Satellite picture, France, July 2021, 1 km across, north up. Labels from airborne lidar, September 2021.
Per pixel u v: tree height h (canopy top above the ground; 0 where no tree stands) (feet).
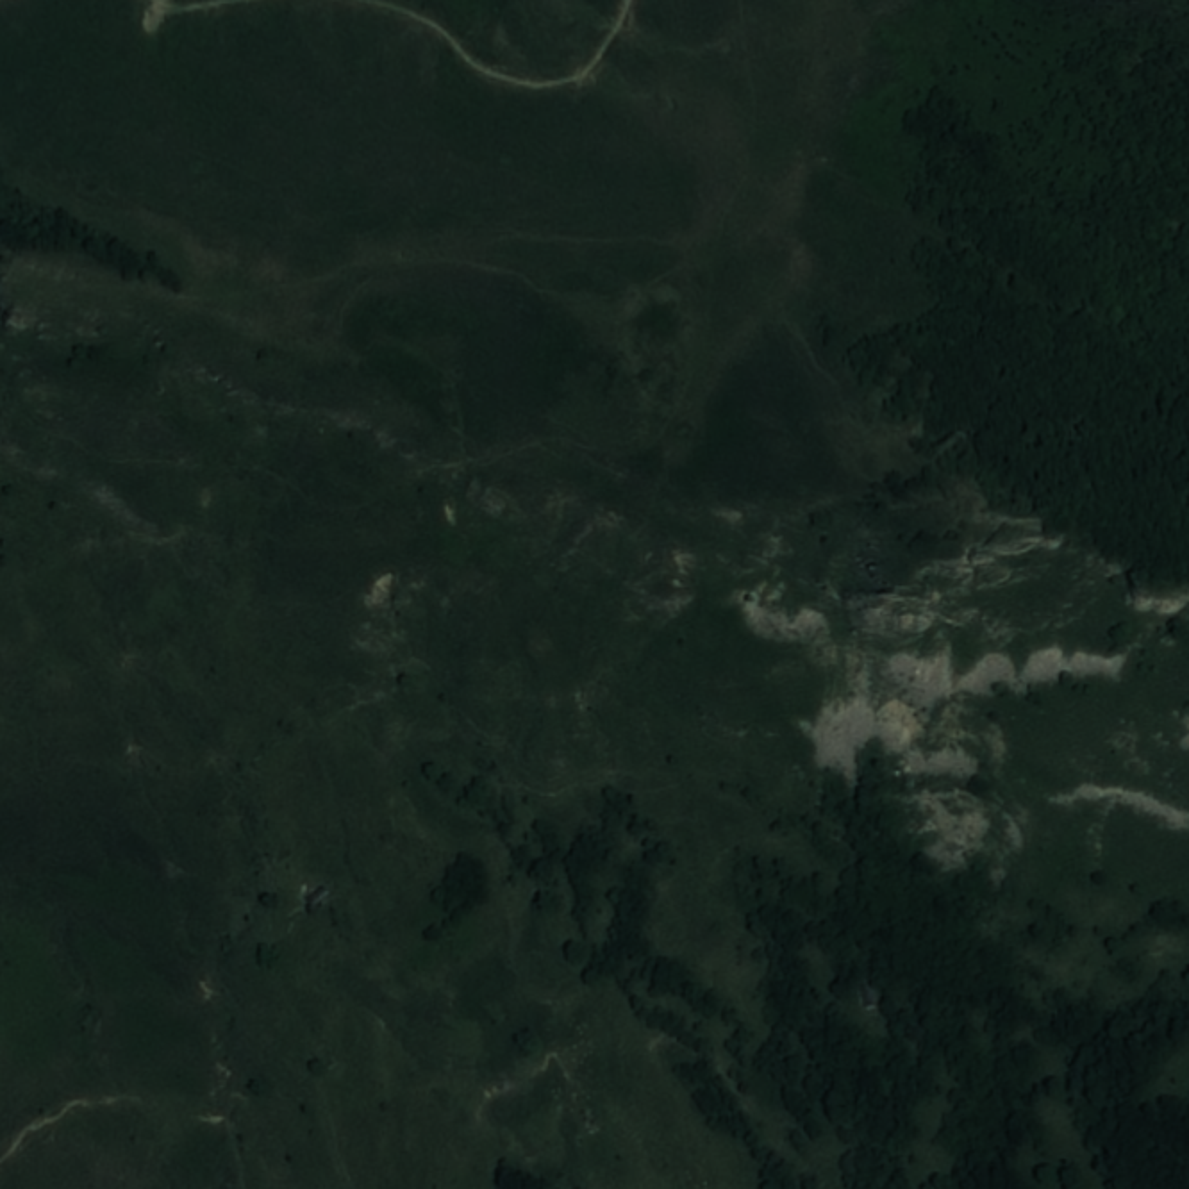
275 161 0
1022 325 70
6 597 0
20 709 0
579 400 0
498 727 0
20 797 0
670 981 65
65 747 0
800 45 0
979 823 0
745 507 0
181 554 0
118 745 0
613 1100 0
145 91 0
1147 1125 50
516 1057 0
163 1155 0
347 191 0
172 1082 0
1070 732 0
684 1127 0
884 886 24
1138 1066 57
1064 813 0
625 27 0
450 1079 0
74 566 0
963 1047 31
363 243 0
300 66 0
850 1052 62
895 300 0
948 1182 58
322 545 0
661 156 0
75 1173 0
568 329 0
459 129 0
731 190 0
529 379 0
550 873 66
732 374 0
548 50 0
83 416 0
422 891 0
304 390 0
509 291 0
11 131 0
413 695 0
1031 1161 0
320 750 0
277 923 0
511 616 0
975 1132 52
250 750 0
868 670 0
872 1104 63
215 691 0
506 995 0
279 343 0
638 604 0
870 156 0
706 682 0
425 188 0
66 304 0
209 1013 0
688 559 0
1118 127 25
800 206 0
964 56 0
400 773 0
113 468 0
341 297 0
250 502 0
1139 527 67
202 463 0
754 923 39
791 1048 50
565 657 0
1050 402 74
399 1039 0
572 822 0
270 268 0
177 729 0
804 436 0
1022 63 33
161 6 0
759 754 0
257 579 0
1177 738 0
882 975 69
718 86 0
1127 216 35
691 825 0
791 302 0
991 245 54
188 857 0
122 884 0
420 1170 0
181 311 0
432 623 0
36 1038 0
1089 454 74
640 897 42
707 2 0
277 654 0
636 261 0
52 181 0
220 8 0
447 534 0
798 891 19
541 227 0
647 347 0
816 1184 48
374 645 0
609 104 0
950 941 28
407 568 0
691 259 0
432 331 0
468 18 0
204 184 0
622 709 0
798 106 0
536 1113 0
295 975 0
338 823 0
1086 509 44
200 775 0
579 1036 0
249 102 0
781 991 56
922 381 43
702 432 0
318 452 0
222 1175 0
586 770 0
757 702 0
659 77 0
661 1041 0
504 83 0
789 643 0
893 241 0
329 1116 0
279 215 0
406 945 0
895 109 0
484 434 0
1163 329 49
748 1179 0
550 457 0
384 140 0
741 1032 42
